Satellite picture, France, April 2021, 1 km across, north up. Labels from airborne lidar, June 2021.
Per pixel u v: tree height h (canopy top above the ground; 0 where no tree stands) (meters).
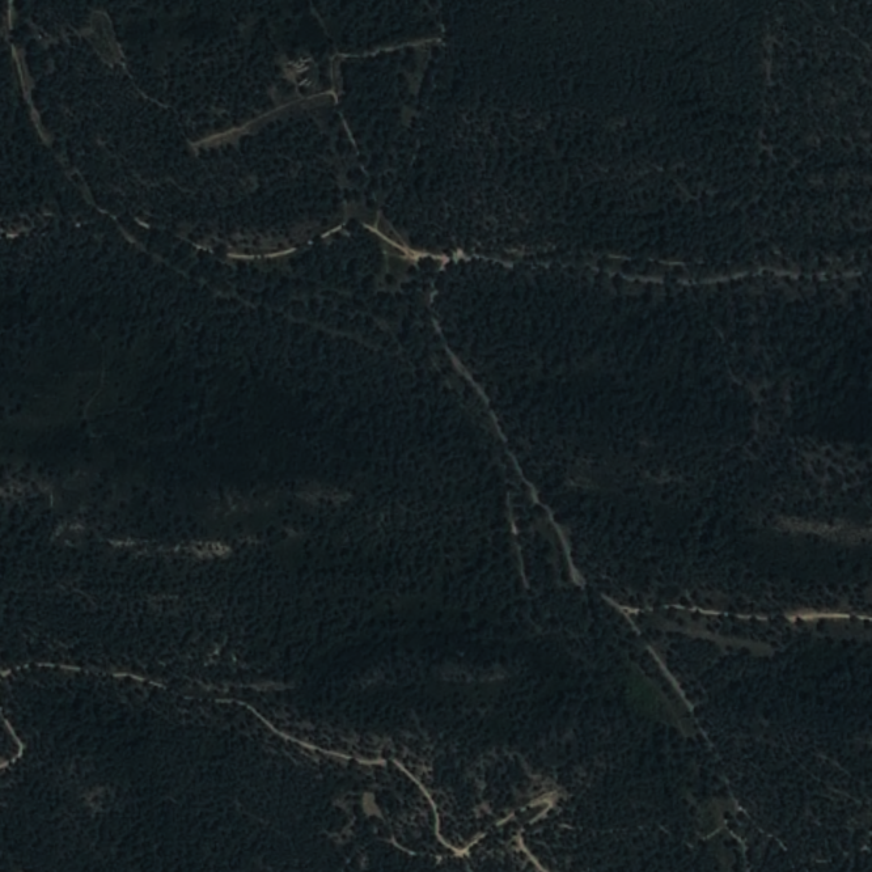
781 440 8
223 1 13
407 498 12
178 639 11
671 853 11
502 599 12
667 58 13
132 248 16
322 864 11
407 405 13
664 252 14
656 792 7
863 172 16
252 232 9
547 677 8
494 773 5
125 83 15
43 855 12
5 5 16
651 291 10
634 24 13
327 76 12
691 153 11
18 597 12
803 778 10
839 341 16
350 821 9
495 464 13
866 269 12
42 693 16
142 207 20
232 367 15
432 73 12
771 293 11
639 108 11
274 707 10
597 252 14
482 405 17
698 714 11
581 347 9
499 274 13
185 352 12
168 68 6
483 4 12
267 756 7
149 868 16
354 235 16
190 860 12
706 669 13
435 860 7
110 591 12
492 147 10
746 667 17
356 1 10
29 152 13
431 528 13
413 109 12
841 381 7
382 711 11
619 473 10
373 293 18
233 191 16
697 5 10
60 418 0
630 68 15
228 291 17
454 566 15
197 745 11
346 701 9
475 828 8
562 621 11
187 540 6
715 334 12
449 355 13
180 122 12
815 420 7
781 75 10
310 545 10
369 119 10
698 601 13
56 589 10
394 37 13
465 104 12
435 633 7
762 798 13
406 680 8
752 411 10
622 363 8
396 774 8
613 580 12
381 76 13
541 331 10
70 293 13
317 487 0
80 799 7
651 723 6
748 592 15
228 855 9
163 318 12
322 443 8
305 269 15
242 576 8
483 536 9
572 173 8
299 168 13
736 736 10
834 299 12
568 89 12
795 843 11
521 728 6
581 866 9
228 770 8
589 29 13
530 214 9
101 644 15
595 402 12
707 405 10
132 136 13
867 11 10
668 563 20
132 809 9
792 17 13
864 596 11
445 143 12
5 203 12
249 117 12
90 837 8
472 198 8
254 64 12
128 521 6
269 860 11
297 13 12
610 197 14
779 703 12
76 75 17
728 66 12
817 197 17
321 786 7
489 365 14
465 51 12
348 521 10
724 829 0
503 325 11
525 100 11
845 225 14
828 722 11
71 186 17
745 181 16
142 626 14
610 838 12
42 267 18
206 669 11
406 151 14
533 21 12
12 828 12
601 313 12
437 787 8
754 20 13
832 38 12
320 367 14
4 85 12
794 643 12
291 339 12
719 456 9
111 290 13
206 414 10
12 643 17
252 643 8
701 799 12
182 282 18
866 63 10
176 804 9
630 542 15
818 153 13
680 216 13
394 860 12
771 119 14
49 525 9
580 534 15
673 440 9
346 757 0
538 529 0
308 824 12
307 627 12
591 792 10
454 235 9
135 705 14
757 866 17
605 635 15
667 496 11
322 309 13
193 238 11
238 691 9
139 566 8
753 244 12
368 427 11
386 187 14
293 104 0
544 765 7
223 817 9
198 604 9
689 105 13
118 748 13
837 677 12
